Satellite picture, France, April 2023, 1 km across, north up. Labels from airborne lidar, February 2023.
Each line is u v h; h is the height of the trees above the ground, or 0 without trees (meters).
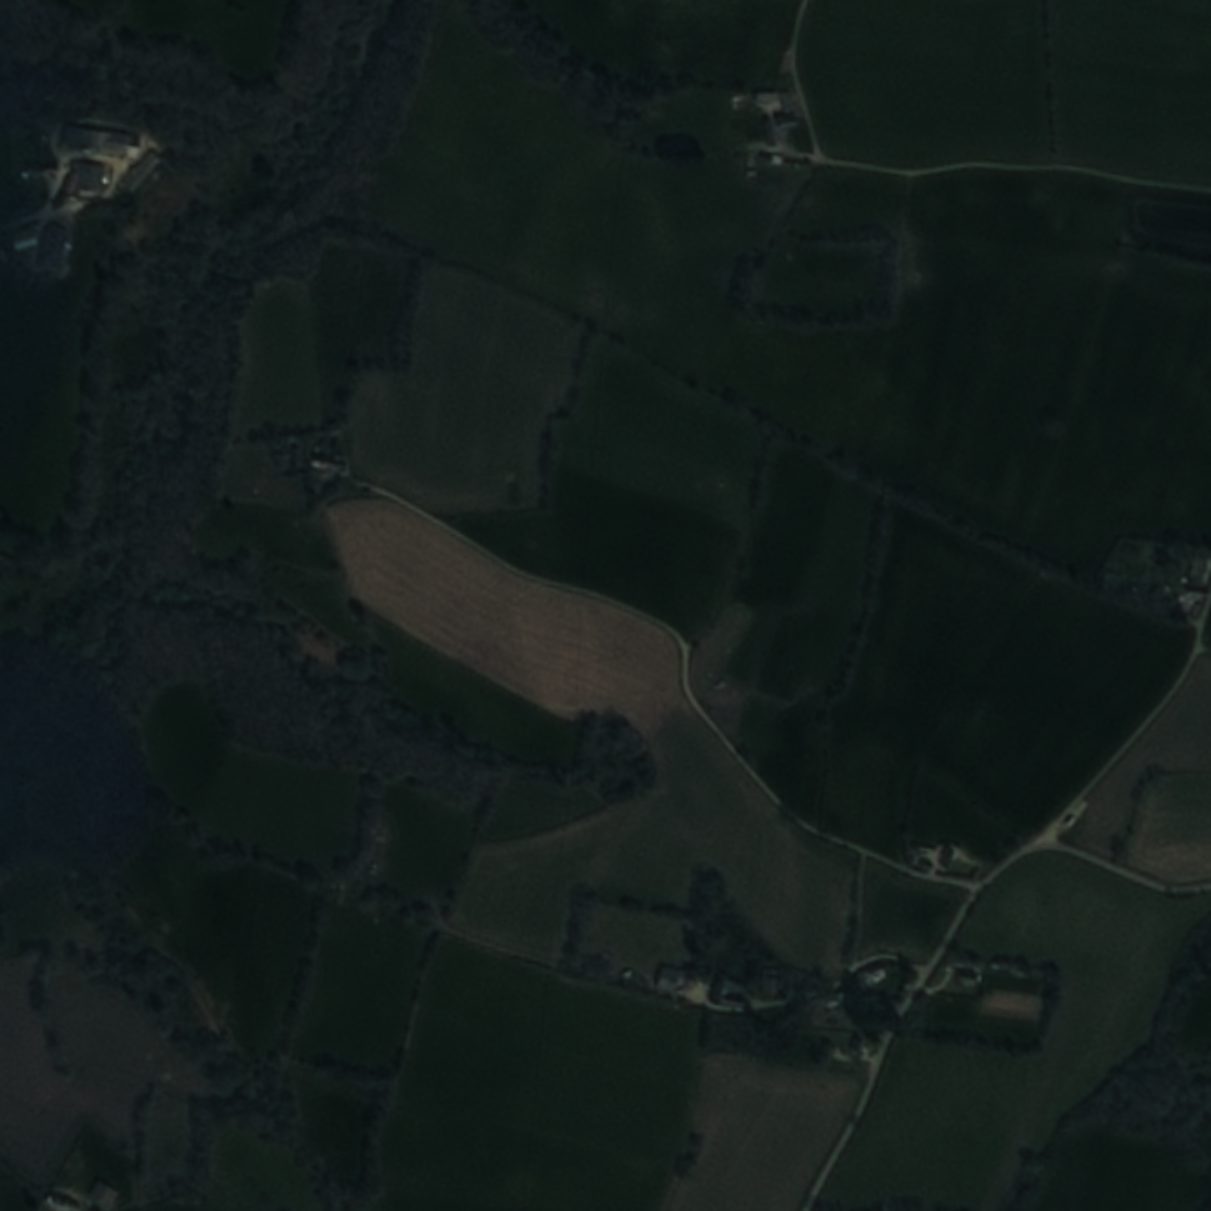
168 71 22
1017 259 0
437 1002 0
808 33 0
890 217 0
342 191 10
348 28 16
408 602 0
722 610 0
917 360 0
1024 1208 7
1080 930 0
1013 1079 0
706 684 0
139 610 23
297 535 0
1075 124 0
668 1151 0
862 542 0
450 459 0
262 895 0
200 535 0
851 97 0
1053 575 9
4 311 0
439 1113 0
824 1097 0
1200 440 0
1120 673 0
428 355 0
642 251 0
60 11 20
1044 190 0
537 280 0
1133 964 0
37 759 14
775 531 0
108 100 27
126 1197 0
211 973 0
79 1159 0
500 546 0
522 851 0
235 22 0
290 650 16
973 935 0
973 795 0
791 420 0
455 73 0
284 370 0
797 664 0
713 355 0
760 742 0
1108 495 0
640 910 7
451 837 0
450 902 8
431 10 12
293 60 18
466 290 0
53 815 0
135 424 6
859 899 7
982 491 0
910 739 0
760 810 0
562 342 0
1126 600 15
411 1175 0
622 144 9
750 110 0
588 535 0
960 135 0
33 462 0
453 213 0
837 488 0
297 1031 11
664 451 0
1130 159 0
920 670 0
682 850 0
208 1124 17
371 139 17
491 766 28
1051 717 0
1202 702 0
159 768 0
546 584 0
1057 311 0
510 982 0
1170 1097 15
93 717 22
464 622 0
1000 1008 0
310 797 0
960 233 0
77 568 18
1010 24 0
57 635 11
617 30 0
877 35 0
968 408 0
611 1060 0
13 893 0
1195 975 12
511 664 0
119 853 17
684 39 0
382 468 0
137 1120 9
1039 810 0
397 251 11
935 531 0
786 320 15
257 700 18
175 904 0
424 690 0
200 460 20
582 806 0
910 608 0
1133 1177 0
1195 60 0
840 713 0
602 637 0
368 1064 0
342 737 18
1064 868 0
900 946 0
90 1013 0
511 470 0
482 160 0
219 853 16
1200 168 0
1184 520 0
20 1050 0
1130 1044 0
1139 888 0
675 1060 0
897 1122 0
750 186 0
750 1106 0
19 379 0
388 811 0
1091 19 0
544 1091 0
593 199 0
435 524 0
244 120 22
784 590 0
